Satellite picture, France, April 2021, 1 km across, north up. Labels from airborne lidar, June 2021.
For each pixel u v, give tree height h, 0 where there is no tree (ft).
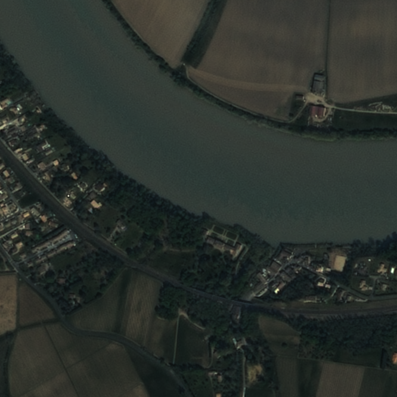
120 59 0
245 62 0
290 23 0
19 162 0
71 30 0
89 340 0
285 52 0
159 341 0
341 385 0
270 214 0
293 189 0
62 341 0
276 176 0
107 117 0
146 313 0
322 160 0
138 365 0
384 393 0
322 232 0
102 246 0
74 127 0
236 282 74
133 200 58
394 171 0
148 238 66
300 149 0
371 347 68
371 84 0
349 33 0
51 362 0
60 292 37
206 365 0
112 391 0
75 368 0
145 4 0
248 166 0
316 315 0
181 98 0
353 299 0
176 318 71
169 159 0
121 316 0
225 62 0
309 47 0
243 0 0
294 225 0
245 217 0
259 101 0
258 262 68
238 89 0
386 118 0
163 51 0
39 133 20
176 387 0
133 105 0
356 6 0
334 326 62
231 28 0
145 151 0
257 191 0
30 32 0
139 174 0
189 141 0
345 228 0
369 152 0
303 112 0
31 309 0
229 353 45
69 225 0
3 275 0
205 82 0
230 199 0
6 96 38
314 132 76
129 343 0
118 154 0
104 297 0
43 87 0
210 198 0
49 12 0
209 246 66
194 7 0
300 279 40
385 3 0
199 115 0
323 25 0
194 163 0
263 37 0
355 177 0
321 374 0
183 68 0
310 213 0
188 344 0
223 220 0
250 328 68
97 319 0
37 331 0
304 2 0
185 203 0
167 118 0
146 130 0
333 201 0
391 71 0
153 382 0
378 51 0
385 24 0
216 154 0
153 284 0
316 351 21
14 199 0
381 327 58
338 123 0
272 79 0
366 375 0
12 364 0
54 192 38
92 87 0
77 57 0
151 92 0
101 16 0
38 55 0
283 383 0
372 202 0
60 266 0
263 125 61
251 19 0
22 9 0
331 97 0
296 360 0
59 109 0
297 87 0
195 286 46
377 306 0
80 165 48
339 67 0
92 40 0
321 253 0
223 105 32
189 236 53
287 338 0
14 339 52
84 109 0
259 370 0
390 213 0
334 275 51
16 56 0
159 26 0
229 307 41
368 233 0
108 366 0
